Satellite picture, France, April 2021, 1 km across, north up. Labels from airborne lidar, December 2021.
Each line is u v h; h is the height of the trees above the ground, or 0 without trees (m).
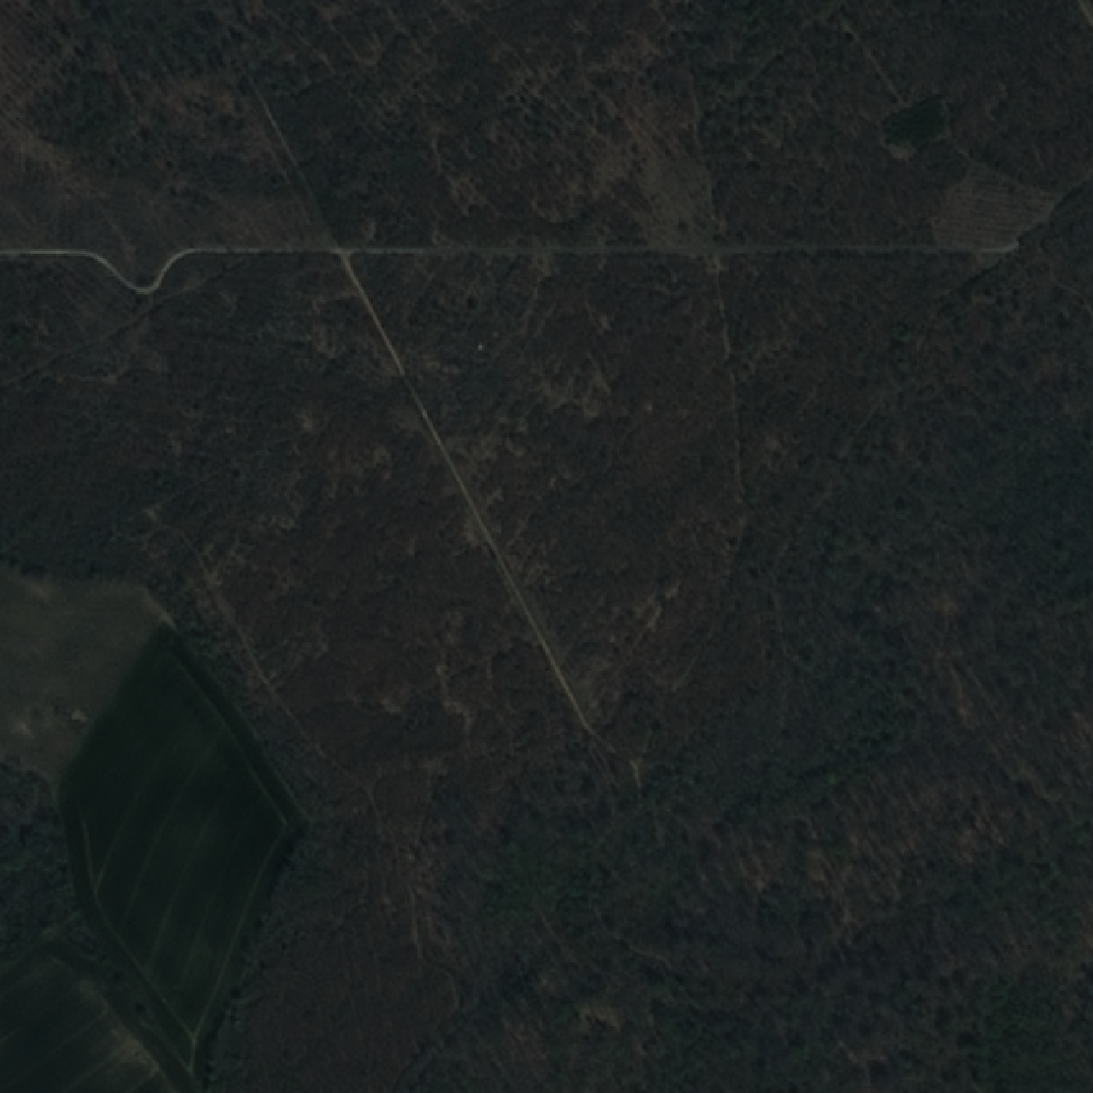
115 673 0
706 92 13
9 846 26
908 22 11
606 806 12
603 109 8
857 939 10
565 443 10
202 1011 0
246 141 7
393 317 7
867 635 30
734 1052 23
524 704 7
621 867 19
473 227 6
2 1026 0
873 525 16
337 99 8
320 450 9
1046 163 13
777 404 10
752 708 13
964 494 14
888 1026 19
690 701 5
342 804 9
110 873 0
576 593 11
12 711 0
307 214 0
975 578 19
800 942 25
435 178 7
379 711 7
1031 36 14
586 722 0
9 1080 0
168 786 0
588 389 8
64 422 9
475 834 17
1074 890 34
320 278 7
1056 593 17
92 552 9
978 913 34
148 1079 0
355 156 9
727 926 36
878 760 19
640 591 11
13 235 0
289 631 7
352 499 7
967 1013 27
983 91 13
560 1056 22
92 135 10
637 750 11
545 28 9
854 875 38
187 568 6
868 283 8
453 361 6
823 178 11
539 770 6
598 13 8
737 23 17
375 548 8
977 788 35
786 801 20
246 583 7
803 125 11
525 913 19
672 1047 20
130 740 0
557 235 8
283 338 7
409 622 11
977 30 11
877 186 11
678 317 9
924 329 6
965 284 7
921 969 8
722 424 10
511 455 7
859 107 14
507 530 6
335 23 7
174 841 0
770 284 7
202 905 0
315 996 11
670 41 6
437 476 7
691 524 14
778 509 15
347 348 7
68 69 8
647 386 10
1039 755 34
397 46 10
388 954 7
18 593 0
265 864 0
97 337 0
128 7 31
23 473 8
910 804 32
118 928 0
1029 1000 23
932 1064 7
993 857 35
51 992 0
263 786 0
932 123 6
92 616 0
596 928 11
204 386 10
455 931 21
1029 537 14
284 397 8
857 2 12
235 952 0
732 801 7
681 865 19
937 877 35
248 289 7
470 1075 19
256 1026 10
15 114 0
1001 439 17
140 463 8
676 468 11
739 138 6
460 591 11
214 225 0
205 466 10
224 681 14
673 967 7
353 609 8
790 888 36
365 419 7
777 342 7
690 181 0
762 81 9
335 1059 11
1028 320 8
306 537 8
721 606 8
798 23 11
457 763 7
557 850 23
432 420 8
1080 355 6
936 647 36
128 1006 0
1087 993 14
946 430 15
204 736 0
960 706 37
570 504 9
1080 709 29
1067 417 18
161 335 8
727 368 8
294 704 8
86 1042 0
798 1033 14
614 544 13
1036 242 9
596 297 8
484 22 7
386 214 8
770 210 12
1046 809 36
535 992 18
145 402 6
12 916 10
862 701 17
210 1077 9
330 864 10
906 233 10
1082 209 13
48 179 0
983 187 0
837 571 18
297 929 9
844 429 11
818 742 19
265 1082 10
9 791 8
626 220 6
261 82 11
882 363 11
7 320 7
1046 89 11
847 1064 18
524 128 10
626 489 8
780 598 16
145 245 0
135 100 11
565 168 8
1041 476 11
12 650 0
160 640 0
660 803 20
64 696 0
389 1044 9
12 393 6
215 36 24
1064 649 19
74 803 0
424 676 8
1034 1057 20
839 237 8
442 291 7
